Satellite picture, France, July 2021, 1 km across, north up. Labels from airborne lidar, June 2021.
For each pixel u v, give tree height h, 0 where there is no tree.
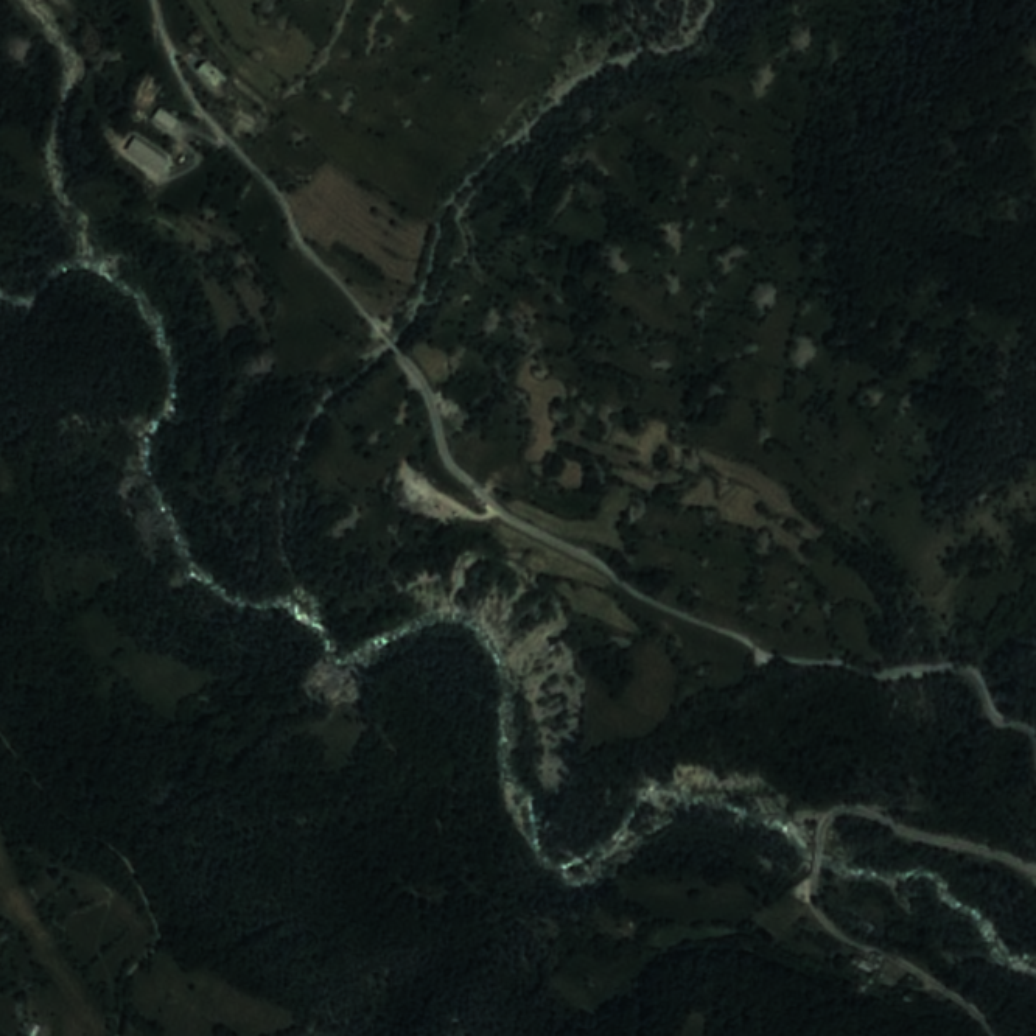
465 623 0
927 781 7
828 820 0
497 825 14
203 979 0
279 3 8
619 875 9
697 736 11
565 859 10
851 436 0
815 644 0
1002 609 11
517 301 0
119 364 19
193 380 21
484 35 0
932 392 17
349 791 13
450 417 0
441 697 19
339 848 17
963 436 15
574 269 13
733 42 10
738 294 0
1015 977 14
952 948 17
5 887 0
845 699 8
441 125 0
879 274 12
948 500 11
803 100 0
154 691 0
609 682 7
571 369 0
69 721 15
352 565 12
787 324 0
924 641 9
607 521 0
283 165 0
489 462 0
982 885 15
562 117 10
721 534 8
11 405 17
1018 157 14
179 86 0
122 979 9
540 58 0
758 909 7
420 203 0
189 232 0
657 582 14
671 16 7
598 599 0
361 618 10
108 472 16
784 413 0
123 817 16
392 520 0
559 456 7
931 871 9
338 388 15
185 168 0
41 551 15
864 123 13
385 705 11
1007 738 12
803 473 7
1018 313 19
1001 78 15
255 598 13
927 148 9
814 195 12
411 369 0
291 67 0
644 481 0
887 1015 8
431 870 17
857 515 7
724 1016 20
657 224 6
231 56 0
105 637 0
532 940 17
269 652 17
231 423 9
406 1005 12
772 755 8
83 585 0
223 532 9
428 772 11
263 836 17
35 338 16
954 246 12
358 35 0
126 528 22
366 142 0
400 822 14
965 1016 6
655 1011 28
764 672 10
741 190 7
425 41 0
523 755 12
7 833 10
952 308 17
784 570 0
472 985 14
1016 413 13
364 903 23
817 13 6
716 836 7
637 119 0
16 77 16
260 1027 0
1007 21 23
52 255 15
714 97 7
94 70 8
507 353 8
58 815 16
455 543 12
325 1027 14
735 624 0
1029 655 18
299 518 10
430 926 18
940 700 11
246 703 15
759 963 20
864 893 6
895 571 8
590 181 8
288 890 15
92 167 17
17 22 13
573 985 0
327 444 8
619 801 6
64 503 14
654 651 0
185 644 14
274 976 23
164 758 19
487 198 10
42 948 0
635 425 14
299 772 11
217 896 22
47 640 12
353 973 10
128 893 9
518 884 13
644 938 12
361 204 0
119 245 18
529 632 9
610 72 9
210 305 11
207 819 22
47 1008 0
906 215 13
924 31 19
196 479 8
